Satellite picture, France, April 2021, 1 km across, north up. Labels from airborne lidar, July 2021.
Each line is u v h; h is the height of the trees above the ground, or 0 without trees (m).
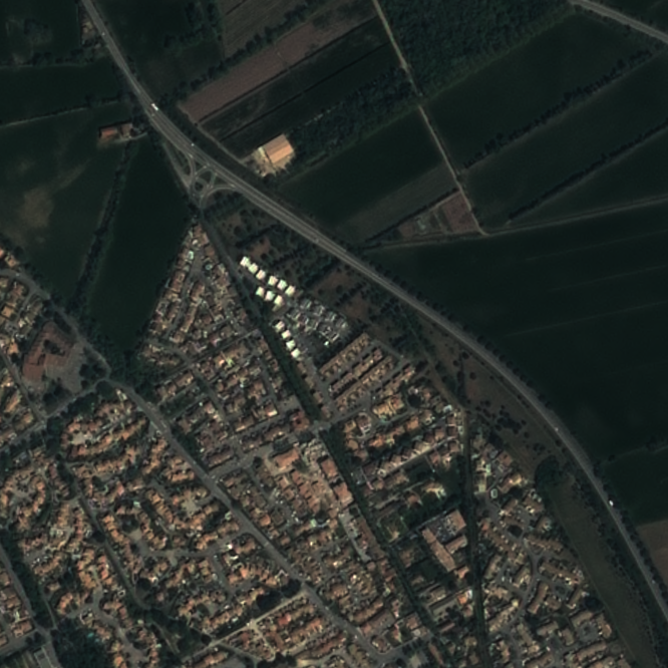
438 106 0
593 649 0
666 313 0
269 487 11
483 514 6
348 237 0
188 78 0
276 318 0
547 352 0
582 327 0
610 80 14
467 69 17
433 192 0
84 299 14
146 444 0
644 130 0
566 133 0
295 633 0
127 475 6
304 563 0
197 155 0
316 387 5
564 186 7
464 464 8
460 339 0
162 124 0
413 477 0
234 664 0
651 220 0
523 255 0
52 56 12
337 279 0
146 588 15
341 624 0
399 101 22
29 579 14
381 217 0
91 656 18
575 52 0
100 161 0
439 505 8
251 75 0
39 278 11
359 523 0
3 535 15
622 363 0
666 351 0
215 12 14
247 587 0
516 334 0
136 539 0
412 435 8
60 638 10
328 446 13
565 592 9
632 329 0
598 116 0
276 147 0
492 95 0
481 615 0
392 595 7
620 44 0
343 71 7
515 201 0
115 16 0
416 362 0
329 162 0
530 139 0
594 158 0
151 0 0
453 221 0
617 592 0
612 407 0
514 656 10
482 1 13
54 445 15
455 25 14
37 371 0
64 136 0
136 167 0
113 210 7
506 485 0
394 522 12
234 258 0
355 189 0
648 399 0
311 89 6
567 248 0
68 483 15
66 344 0
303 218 0
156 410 0
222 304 0
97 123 0
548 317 0
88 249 0
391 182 0
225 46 0
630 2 0
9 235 0
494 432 9
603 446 0
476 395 0
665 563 0
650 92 0
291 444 17
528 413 0
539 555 0
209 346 8
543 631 0
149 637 0
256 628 0
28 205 0
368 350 0
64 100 0
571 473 17
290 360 14
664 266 0
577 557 8
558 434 0
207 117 6
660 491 0
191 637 16
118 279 0
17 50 0
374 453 13
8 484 0
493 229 0
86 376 14
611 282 0
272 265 7
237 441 0
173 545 7
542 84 0
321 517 0
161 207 0
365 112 17
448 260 0
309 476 0
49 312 12
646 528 0
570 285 0
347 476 14
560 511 0
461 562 0
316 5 18
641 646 0
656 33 0
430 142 0
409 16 17
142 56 0
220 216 18
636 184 0
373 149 0
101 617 0
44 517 10
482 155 11
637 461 0
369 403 0
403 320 8
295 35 0
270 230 7
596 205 0
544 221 0
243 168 0
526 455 0
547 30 11
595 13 7
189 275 7
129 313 0
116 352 16
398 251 0
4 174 0
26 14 0
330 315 0
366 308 0
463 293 0
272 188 15
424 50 14
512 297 0
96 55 11
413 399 11
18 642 0
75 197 0
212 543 6
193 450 13
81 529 0
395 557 13
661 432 0
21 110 0
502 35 15
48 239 0
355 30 9
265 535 0
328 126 7
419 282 0
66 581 9
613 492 10
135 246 0
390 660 0
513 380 0
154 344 0
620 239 0
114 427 0
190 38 13
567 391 0
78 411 13
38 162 0
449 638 15
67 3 0
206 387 10
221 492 0
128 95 14
